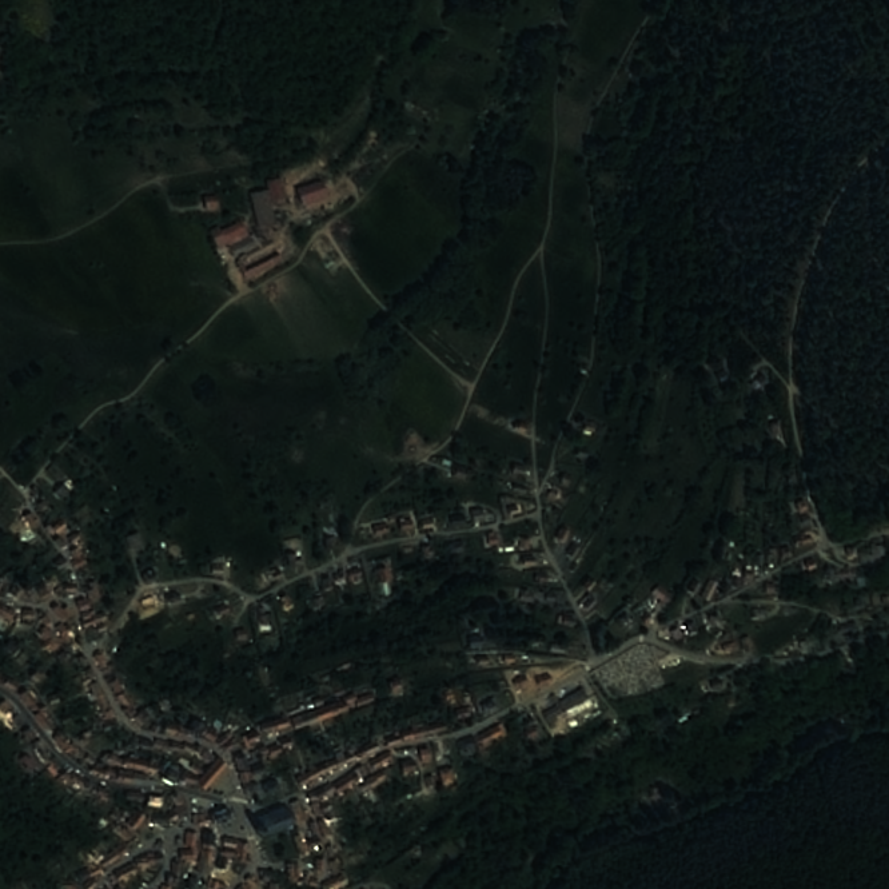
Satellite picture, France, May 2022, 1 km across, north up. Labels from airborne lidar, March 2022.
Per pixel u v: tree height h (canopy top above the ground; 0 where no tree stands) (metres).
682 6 32
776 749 20
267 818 0
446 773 0
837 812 28
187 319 0
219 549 0
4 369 0
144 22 8
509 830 19
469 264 20
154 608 0
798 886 28
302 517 0
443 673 0
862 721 9
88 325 0
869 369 25
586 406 0
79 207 0
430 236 0
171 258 0
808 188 29
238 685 0
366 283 0
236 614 0
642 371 17
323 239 0
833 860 28
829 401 30
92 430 0
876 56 26
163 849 0
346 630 0
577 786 9
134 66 9
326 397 0
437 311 19
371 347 9
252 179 7
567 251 0
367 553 0
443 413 0
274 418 0
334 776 0
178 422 12
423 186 0
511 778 12
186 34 18
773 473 11
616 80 0
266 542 0
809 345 27
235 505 0
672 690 8
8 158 0
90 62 11
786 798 22
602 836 36
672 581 0
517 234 0
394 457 0
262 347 0
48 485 0
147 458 0
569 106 0
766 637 0
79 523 9
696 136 26
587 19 0
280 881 8
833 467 33
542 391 8
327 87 11
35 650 0
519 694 0
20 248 0
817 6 26
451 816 8
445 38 8
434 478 15
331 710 0
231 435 0
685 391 0
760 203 29
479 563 7
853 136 13
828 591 8
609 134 0
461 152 0
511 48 8
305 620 7
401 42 18
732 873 25
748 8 28
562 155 0
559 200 0
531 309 0
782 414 6
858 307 26
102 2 6
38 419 0
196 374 0
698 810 21
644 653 0
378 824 6
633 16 0
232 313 0
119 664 10
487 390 0
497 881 15
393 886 0
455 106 0
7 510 0
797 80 28
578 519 0
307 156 6
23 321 0
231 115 12
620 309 16
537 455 0
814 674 20
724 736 10
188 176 0
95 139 17
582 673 0
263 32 14
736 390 13
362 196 0
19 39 12
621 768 11
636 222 25
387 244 0
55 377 0
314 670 0
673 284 19
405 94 13
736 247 7
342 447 0
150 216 0
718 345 27
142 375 0
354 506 0
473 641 0
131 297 0
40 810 0
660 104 14
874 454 25
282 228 0
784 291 28
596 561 0
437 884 14
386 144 9
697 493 11
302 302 0
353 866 0
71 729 0
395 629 6
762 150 30
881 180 23
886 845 22
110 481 0
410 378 0
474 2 23
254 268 0
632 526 0
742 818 25
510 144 23
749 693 12
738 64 11
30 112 5
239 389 0
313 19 13
